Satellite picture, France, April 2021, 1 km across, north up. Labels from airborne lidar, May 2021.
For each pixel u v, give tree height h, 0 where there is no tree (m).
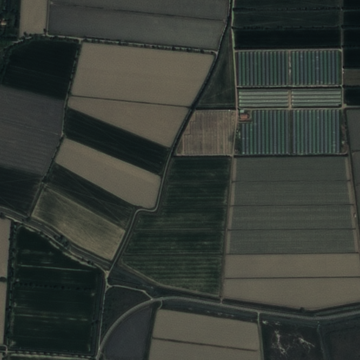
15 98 0
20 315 0
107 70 0
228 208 0
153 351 0
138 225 0
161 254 0
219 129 0
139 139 0
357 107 0
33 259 0
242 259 0
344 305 0
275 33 0
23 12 0
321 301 0
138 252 0
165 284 0
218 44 0
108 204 0
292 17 0
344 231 0
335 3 0
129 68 0
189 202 0
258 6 0
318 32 0
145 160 0
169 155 0
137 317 0
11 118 0
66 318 0
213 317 0
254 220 0
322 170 0
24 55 0
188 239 0
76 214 0
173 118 0
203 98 0
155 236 0
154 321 0
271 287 0
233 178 0
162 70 0
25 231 0
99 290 0
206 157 7
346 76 0
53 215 0
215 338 0
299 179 0
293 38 0
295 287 0
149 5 0
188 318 0
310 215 0
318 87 7
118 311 0
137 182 0
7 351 0
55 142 0
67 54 0
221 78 0
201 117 0
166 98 0
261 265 0
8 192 0
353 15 0
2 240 0
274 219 0
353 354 0
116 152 0
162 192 0
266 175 0
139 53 0
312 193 0
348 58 0
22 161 0
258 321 0
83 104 0
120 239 0
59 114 0
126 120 0
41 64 0
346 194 0
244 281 0
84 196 0
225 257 0
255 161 0
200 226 0
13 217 0
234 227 0
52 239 7
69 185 0
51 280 0
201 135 0
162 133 0
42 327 0
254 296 0
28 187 0
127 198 0
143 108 0
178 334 0
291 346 0
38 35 8
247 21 0
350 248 0
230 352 0
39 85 0
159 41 0
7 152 0
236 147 0
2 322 0
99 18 0
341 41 0
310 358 0
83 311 0
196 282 0
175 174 0
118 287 0
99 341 0
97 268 0
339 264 0
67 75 0
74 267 0
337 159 0
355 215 0
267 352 0
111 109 0
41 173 0
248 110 0
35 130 0
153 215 0
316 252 0
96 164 0
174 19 0
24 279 0
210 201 0
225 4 0
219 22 0
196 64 0
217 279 0
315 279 0
